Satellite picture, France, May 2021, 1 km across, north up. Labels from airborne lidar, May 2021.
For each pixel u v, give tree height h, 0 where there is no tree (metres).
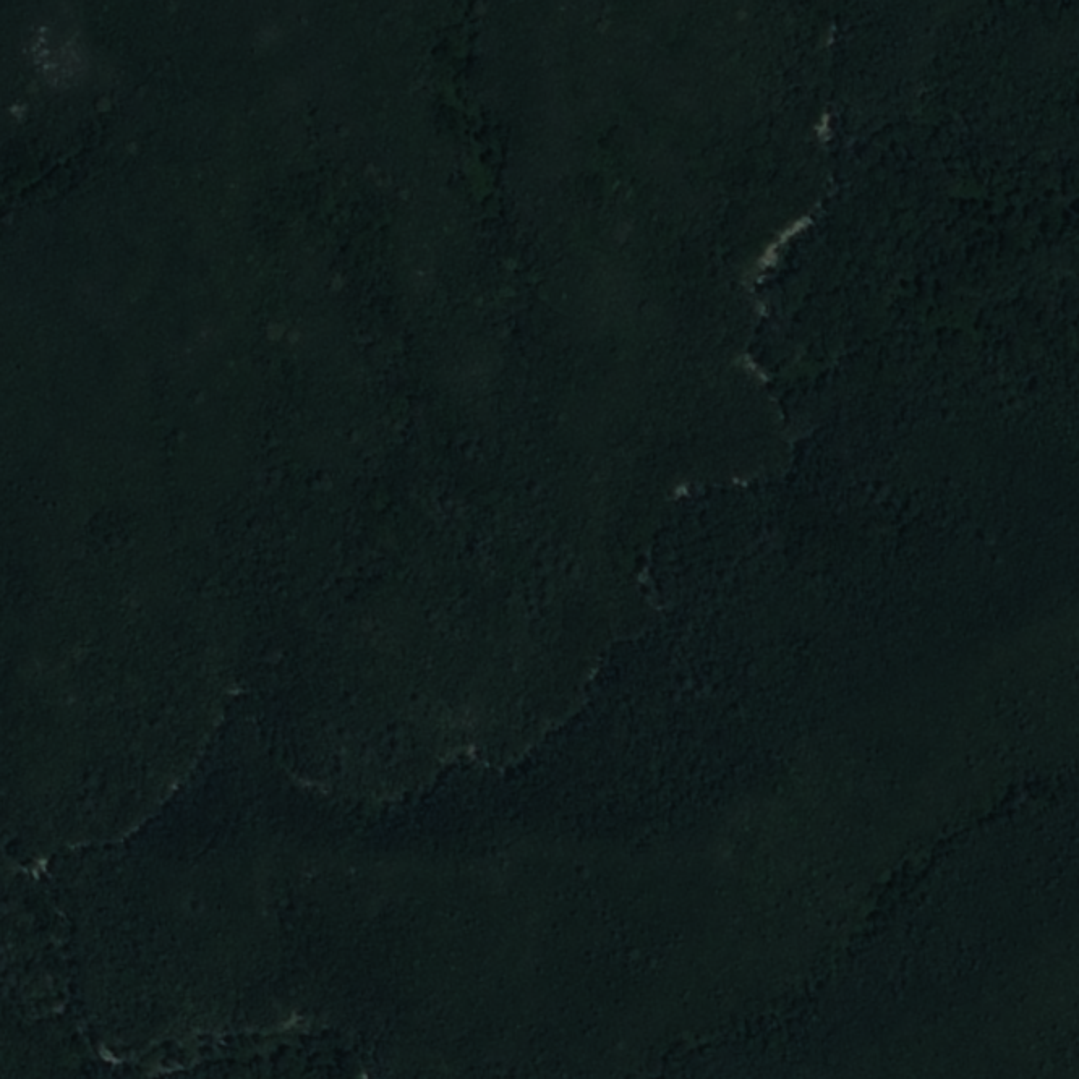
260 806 11
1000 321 14
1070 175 24
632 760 16
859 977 8
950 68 14
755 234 22
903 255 15
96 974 11
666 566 13
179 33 9
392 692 10
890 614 7
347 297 11
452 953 10
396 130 6
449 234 6
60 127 6
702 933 6
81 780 8
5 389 6
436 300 10
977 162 19
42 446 6
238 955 8
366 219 11
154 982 7
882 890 17
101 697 14
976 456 6
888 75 7
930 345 21
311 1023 7
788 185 16
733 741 11
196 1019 12
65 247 7
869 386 16
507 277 17
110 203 5
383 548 24
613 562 12
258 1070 10
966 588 7
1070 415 10
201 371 6
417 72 7
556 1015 6
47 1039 23
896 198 16
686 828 8
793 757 6
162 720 11
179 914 7
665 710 12
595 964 9
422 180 6
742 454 13
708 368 11
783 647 12
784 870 6
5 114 5
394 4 6
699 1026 7
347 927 7
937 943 6
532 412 12
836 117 13
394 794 16
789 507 17
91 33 7
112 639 14
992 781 9
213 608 8
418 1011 10
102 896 12
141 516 8
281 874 9
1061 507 6
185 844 17
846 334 17
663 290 8
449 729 13
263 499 9
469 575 17
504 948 7
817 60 20
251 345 6
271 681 24
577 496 7
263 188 9
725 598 17
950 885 7
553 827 8
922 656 7
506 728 14
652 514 20
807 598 8
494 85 7
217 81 6
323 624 11
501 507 15
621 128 11
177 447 10
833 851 6
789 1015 13
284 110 7
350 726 10
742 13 11
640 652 14
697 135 6
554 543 9
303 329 6
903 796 5
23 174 19
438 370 10
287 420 11
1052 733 6
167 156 7
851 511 13
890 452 7
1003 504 7
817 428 17
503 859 6
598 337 7
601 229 7
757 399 15
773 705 11
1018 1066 6
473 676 12
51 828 9
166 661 10
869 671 6
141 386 7
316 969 16
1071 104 17
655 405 12
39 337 8
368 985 15
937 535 13
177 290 6
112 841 20
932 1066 8
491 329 12
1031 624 6
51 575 6
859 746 6
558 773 19
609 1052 7
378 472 16
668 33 7
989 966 7
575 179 6
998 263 10
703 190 9
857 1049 6
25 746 11
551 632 16
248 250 7
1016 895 7
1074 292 15
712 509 14
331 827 16
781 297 15
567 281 5
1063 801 9
